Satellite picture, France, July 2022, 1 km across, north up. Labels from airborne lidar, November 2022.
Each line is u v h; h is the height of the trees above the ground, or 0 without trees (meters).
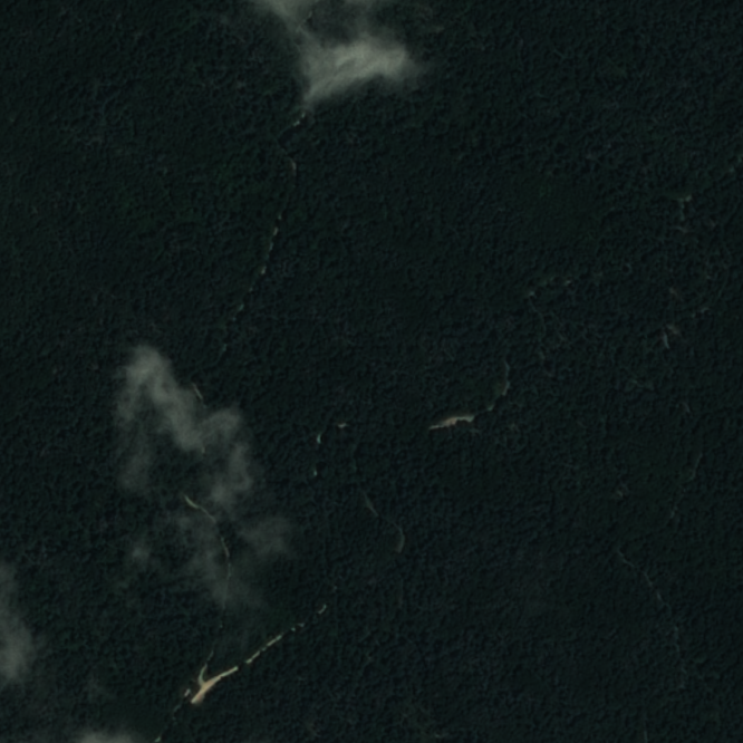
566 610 12
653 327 28
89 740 19
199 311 20
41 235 12
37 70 8
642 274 22
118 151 20
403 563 23
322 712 24
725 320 20
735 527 12
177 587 24
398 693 21
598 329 25
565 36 25
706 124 9
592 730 23
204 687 0
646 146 21
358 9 20
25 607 26
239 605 13
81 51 18
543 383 22
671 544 22
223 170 15
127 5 19
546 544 25
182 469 23
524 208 21
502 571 22
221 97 31
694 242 6
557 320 13
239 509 29
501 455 21
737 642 22
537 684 25
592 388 24
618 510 20
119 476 27
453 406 14
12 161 15
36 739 21
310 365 19
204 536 25
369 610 27
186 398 17
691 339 15
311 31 18
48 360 24
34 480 23
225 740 22
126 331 18
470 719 22
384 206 28
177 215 27
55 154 12
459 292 25
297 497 26
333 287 23
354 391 24
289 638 19
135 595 8
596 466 18
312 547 24
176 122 24
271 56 18
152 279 23
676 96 27
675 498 19
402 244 24
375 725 23
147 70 23
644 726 17
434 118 7
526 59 18
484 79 20
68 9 16
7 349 15
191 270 22
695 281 23
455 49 9
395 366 22
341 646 18
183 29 14
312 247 22
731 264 19
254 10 19
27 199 14
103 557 21
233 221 15
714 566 23
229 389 20
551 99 16
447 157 14
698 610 20
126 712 9
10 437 20
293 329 18
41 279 12
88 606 22
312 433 32
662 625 23
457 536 30
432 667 32
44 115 14
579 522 25
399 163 20
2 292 15
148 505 19
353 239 24
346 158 23
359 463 17
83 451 26
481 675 22
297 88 25
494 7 23
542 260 22
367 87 17
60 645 17
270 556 14
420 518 26
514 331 23
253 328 27
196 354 20
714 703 19
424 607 26
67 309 12
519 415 13
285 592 12
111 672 16
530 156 18
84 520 28
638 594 23
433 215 21
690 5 22
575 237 8
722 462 22
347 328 25
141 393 18
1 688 33
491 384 19
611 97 15
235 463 22
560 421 20
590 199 13
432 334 16
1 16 12
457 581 29
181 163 21
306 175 25
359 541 23
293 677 10
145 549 24
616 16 24
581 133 23
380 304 13
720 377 25
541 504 32
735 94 31
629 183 22
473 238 17
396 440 27
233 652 9
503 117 25
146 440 12
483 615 15
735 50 28
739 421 9
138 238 10
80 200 13
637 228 19
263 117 15
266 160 29
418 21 8
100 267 17
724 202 8
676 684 20
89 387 20
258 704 20
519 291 22
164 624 24
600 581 15
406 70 20
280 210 12
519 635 21
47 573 17
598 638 17
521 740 23
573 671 22
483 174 19
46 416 27
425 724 8
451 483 22
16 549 29
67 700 24
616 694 22
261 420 30
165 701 18
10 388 23
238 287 11
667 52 32
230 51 16
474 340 29
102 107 26
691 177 23
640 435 22
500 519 28
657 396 19
